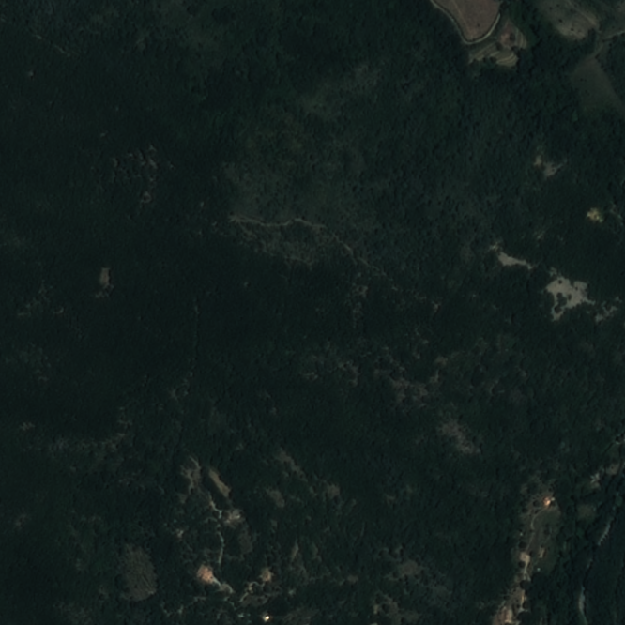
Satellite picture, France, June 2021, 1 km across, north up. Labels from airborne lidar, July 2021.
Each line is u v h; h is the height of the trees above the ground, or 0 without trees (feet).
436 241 37
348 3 25
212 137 44
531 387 30
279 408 37
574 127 31
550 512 0
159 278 36
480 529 40
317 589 33
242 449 38
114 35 32
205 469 36
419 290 31
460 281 34
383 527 52
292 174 25
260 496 23
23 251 21
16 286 27
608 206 49
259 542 30
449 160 21
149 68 34
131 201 43
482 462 50
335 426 43
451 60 49
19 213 29
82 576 41
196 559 28
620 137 36
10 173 44
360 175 29
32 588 36
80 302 49
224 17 56
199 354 46
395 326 41
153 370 42
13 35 35
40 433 24
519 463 49
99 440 34
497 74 56
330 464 49
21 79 28
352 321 25
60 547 35
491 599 33
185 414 31
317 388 43
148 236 49
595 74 0
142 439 27
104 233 34
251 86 52
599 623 30
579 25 0
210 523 26
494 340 43
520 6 18
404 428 37
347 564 27
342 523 36
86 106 34
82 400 30
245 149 18
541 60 75
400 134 27
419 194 33
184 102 48
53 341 30
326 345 23
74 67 36
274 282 42
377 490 37
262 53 41
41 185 32
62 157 43
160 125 42
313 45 46
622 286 41
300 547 26
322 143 24
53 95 38
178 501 23
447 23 51
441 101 38
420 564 47
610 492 28
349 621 48
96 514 37
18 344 20
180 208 45
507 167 27
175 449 26
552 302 28
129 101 42
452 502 43
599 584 38
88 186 41
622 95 22
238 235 23
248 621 24
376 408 49
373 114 27
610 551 24
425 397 27
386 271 21
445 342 43
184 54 46
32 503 37
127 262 46
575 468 36
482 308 28
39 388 33
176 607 28
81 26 44
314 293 26
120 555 31
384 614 33
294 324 53
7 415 36
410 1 59
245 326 51
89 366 25
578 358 33
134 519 23
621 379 32
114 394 40
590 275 38
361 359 40
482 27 0
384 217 22
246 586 34
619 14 0
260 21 30
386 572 31
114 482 36
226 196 19
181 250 52
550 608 26
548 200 36
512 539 47
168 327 34
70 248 31
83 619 23
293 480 28
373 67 27
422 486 44
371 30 46
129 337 37
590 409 54
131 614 27
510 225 34
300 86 38
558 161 22
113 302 46
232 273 43
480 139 25
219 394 37
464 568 40
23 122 33
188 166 43
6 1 23
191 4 24
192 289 30
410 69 42
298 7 33
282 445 32
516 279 41
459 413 28
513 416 21
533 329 49
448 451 33
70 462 33
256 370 43
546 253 45
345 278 29
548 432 44
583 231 37
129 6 32
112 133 43
